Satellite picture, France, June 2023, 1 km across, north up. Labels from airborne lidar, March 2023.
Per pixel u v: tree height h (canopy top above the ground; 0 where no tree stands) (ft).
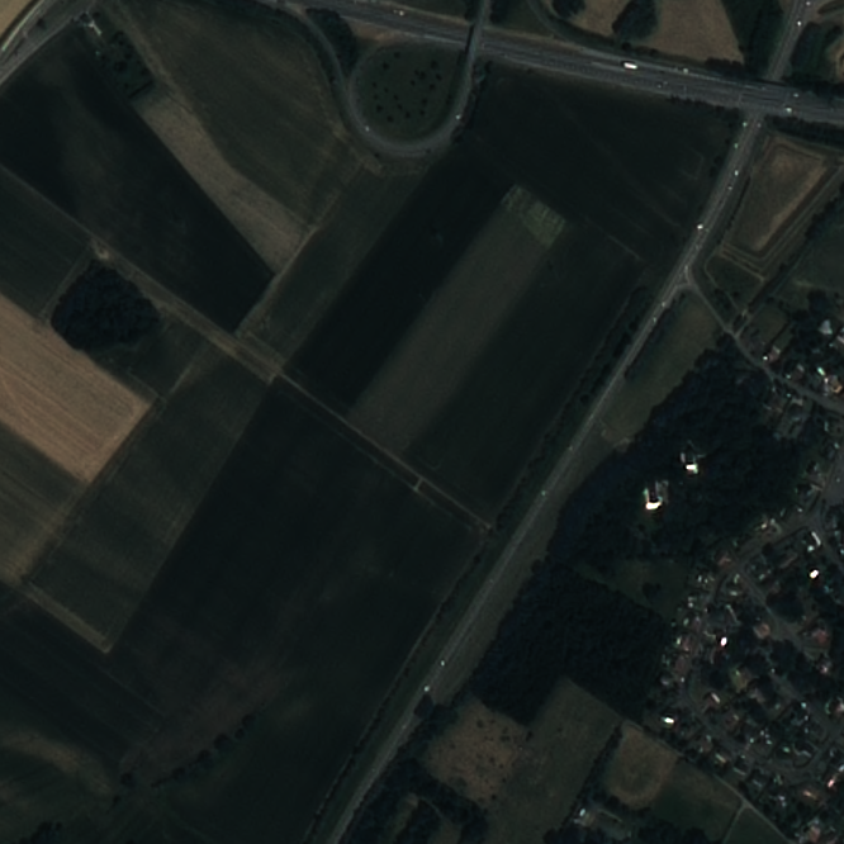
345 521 0
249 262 0
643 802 0
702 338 0
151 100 0
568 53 0
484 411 0
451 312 0
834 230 0
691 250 0
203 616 0
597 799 34
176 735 0
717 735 0
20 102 0
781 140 0
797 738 48
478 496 0
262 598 0
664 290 0
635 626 31
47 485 0
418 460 0
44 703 0
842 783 21
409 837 44
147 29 0
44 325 0
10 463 0
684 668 0
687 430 75
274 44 0
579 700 0
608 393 0
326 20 33
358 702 0
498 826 0
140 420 0
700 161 0
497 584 0
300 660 0
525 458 0
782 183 0
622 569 0
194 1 0
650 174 0
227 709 0
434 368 0
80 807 0
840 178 0
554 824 0
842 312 0
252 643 0
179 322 0
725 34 0
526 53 0
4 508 0
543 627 56
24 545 0
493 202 0
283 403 0
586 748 0
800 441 36
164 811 0
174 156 0
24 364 0
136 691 0
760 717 33
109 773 0
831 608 38
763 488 73
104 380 0
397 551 0
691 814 0
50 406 0
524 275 0
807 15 0
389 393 0
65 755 0
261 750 0
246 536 0
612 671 38
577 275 0
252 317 0
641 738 0
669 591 0
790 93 0
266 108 0
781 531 0
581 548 80
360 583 0
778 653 55
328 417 0
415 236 0
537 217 0
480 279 0
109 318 76
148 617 0
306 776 0
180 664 0
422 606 0
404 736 0
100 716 0
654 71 0
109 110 0
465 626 0
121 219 0
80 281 34
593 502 70
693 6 0
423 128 0
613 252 0
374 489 0
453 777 0
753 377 50
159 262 0
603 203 0
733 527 71
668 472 65
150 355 0
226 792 0
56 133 0
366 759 0
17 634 0
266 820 0
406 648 0
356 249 0
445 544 0
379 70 0
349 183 0
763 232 0
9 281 0
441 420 0
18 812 0
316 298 0
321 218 0
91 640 0
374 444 0
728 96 0
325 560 0
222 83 0
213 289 0
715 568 19
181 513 0
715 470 65
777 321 0
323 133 0
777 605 55
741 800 0
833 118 0
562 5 77
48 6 0
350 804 0
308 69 0
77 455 0
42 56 0
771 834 0
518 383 0
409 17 0
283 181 0
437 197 0
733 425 85
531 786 0
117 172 0
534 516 0
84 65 0
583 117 0
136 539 0
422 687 0
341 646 0
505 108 0
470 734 0
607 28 0
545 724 0
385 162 0
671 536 74
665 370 0
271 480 0
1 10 0
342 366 0
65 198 0
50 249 0
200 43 0
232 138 0
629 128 0
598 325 0
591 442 0
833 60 0
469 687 30
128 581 0
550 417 0
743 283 0
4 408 0
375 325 0
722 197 0
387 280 0
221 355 0
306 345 0
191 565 0
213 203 0
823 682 59
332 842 0
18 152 0
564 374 0
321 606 0
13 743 0
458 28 0
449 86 0
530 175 0
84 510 0
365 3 0
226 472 0
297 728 0
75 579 0
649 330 0
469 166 0
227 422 0
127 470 0
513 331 0
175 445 0
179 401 0
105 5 0
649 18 52
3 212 0
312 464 0
